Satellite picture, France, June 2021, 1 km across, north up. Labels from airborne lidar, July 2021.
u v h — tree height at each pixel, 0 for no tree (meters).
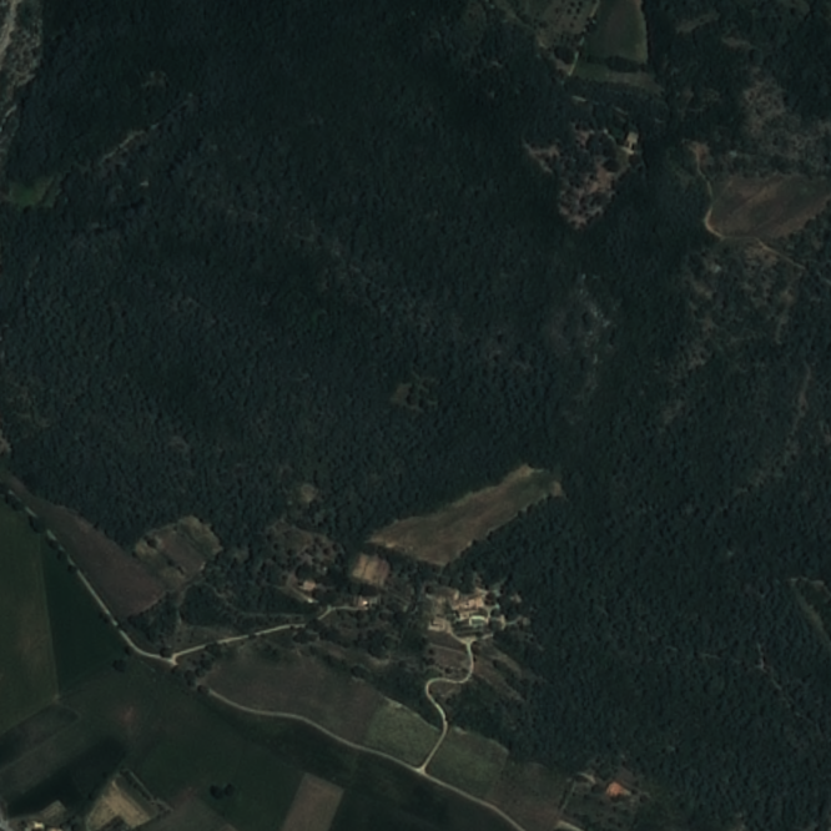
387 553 10
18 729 0
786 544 6
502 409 16
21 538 0
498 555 11
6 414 7
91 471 10
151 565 0
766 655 6
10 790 0
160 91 11
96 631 0
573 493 9
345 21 14
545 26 8
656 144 16
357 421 12
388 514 10
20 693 0
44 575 0
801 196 0
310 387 11
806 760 6
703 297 6
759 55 19
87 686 0
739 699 7
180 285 9
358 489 9
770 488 9
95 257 7
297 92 8
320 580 10
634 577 8
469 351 13
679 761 10
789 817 8
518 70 14
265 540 7
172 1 16
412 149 10
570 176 13
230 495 12
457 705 9
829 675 9
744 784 6
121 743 0
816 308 7
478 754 0
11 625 0
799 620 14
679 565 6
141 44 15
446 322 9
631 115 9
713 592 13
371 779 0
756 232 0
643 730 7
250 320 12
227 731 0
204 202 8
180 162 9
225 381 14
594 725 8
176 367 7
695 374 13
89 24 19
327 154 8
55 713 0
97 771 0
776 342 5
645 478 7
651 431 14
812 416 5
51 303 7
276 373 9
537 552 14
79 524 0
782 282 6
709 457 8
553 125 16
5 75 10
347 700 0
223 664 0
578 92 14
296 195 13
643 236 14
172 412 7
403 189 8
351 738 0
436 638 0
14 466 7
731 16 6
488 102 15
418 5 9
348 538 11
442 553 0
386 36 9
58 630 0
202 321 10
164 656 12
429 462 13
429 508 10
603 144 18
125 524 16
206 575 7
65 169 7
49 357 12
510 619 16
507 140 15
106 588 0
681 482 8
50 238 10
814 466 8
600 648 9
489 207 8
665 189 8
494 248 10
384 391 13
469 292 13
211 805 0
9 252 8
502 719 5
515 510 0
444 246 13
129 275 11
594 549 12
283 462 8
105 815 0
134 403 7
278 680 0
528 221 8
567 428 7
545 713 8
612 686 8
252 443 7
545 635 14
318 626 11
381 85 7
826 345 11
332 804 0
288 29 17
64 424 7
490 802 0
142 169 7
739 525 9
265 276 10
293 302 13
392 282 8
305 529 9
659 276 11
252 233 9
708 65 10
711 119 8
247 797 0
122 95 11
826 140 7
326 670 0
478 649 7
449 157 11
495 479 10
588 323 14
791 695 7
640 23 0
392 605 8
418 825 0
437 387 12
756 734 16
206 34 12
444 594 0
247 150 5
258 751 0
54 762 0
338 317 10
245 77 12
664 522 6
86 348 10
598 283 10
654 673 6
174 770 0
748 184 0
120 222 16
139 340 12
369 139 8
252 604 11
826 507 6
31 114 15
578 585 7
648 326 12
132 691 0
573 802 0
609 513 11
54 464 7
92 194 6
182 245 15
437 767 0
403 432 10
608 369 10
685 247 13
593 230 13
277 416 7
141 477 11
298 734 0
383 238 16
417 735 0
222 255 8
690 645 13
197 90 12
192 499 8
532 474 0
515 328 6
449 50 13
